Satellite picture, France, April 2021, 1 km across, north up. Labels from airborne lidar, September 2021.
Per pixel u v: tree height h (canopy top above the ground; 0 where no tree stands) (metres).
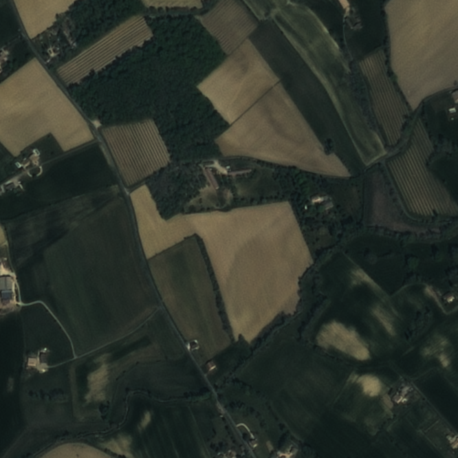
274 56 0
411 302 0
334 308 0
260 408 0
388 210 0
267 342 11
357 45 0
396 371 0
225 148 0
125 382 0
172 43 28
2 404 0
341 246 7
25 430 0
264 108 0
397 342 0
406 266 7
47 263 0
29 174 0
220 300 13
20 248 0
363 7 0
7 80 0
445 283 0
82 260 0
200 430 0
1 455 0
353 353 0
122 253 0
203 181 13
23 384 0
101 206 0
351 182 5
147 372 0
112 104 25
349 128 0
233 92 0
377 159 0
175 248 0
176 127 14
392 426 0
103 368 0
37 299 0
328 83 0
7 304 0
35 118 0
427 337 0
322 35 0
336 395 0
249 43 0
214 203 0
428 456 0
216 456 6
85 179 0
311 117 0
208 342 0
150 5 0
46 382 0
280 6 0
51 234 0
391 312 0
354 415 0
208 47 19
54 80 0
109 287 0
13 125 0
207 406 0
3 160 0
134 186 0
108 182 0
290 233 0
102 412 19
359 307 0
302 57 0
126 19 19
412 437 0
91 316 0
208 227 0
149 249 0
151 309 0
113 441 0
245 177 6
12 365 0
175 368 0
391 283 0
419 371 0
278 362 0
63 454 0
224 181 6
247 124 0
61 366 0
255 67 0
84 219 0
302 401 0
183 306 0
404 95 8
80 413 0
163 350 0
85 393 0
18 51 0
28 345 0
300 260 0
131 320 0
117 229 0
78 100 15
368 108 18
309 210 14
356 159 0
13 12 0
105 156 0
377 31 0
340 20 0
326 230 9
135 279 0
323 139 0
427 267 0
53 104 0
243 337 13
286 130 0
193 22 20
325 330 0
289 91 0
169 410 0
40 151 0
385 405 0
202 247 11
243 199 8
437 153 16
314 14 0
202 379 0
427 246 0
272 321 0
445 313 0
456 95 0
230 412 18
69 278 0
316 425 0
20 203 0
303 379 0
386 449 0
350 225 25
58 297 0
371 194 0
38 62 0
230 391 0
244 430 0
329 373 0
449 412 0
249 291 0
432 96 0
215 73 0
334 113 0
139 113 26
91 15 22
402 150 12
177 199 10
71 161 0
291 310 0
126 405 9
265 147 0
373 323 0
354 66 20
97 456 0
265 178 0
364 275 0
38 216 0
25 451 0
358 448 0
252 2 0
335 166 0
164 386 0
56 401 28
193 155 13
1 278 0
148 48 21
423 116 13
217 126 21
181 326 0
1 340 0
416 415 0
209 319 0
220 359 0
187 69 25
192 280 0
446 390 0
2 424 0
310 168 0
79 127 0
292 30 0
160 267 0
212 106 16
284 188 11
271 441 0
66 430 0
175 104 27
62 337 0
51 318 0
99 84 22
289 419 0
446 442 0
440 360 0
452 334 0
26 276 0
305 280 7
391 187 12
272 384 0
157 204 15
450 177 0
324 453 0
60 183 0
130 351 0
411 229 0
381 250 0
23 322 0
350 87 15
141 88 27
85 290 0
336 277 0
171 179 17
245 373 0
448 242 0
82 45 18
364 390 0
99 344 0
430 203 0
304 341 11
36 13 0
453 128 0
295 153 0
